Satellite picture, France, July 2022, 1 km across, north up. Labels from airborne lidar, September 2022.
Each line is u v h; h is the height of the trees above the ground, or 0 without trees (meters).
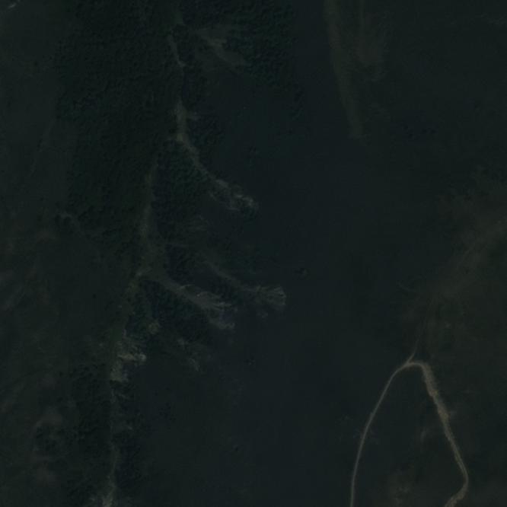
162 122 13
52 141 0
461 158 0
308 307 0
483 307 0
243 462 0
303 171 0
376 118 0
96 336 0
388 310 0
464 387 0
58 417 0
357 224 0
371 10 0
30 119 0
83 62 23
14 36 0
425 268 0
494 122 0
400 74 0
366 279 0
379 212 0
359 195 0
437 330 0
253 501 0
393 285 0
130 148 20
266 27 8
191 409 0
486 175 0
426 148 0
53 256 0
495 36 0
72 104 20
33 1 0
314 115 0
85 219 17
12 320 0
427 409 0
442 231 0
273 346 0
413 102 0
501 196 0
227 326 0
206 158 10
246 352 0
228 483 0
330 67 0
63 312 0
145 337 10
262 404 0
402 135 0
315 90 0
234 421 0
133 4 7
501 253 0
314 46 0
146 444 0
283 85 10
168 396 0
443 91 0
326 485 0
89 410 13
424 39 0
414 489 0
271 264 0
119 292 0
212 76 0
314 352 0
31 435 0
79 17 11
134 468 14
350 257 0
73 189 11
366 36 0
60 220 14
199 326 15
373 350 0
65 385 0
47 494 0
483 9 0
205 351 0
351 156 0
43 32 0
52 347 0
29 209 0
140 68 19
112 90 21
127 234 11
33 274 0
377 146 0
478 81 0
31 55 0
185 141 0
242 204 7
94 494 7
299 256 0
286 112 0
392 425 0
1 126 0
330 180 0
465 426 0
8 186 0
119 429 0
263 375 0
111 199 15
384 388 0
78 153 9
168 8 21
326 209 0
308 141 0
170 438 0
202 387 0
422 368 0
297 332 0
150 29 21
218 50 0
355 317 0
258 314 0
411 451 0
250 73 15
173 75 19
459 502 0
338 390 0
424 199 0
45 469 0
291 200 0
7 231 0
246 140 0
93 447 15
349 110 0
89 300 0
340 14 0
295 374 0
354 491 0
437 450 0
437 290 0
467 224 0
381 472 0
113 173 19
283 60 18
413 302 0
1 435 0
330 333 0
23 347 0
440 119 0
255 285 0
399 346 0
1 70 0
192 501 0
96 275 0
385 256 0
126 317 0
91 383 13
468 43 0
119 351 0
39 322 0
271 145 0
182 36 18
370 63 0
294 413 0
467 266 0
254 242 0
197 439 0
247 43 15
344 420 0
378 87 0
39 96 0
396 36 0
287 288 0
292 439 0
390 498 0
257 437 0
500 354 0
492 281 0
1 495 0
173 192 15
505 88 0
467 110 0
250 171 0
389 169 0
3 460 0
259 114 0
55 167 0
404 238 0
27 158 0
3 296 0
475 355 0
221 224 0
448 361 0
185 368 0
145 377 0
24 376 0
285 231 0
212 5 18
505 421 0
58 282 0
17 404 0
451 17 0
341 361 0
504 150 0
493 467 0
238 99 0
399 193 0
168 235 10
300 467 0
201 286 0
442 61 0
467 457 0
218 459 0
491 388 0
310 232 0
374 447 0
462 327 0
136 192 23
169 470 0
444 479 0
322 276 0
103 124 20
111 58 20
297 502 0
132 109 18
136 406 0
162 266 0
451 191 0
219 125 12
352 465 0
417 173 0
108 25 16
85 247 0
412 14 0
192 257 8
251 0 12
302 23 0
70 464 0
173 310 16
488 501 0
